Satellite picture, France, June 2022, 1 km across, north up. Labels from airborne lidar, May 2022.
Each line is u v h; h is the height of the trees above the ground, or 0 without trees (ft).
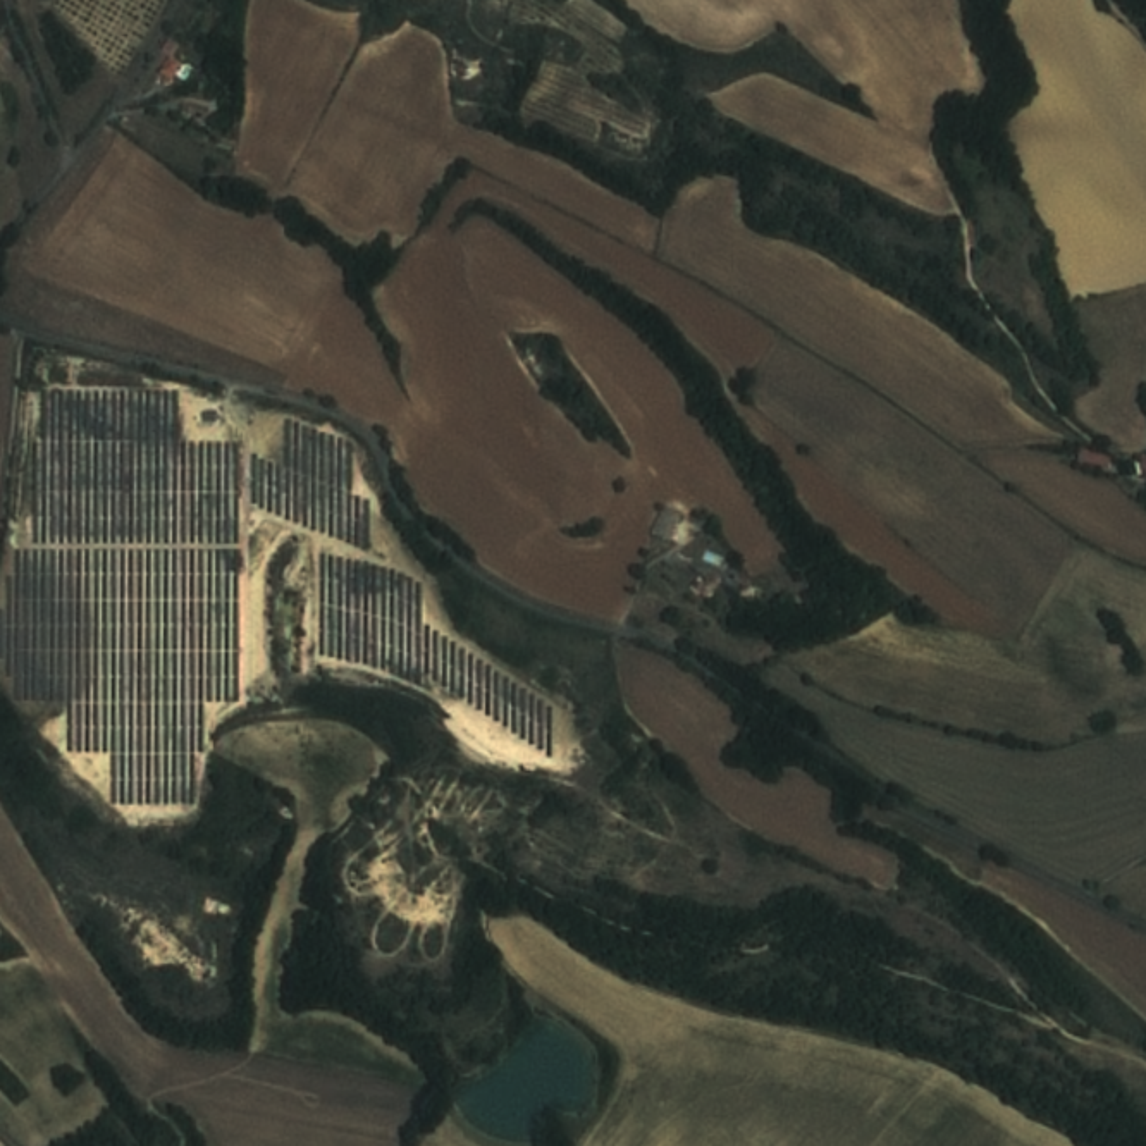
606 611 0
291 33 0
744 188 50
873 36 0
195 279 0
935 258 25
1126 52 0
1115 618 53
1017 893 0
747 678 64
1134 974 0
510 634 0
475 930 31
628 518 0
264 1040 0
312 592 0
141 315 0
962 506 0
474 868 32
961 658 0
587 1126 0
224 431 0
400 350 35
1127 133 0
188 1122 34
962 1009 23
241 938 37
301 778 0
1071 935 0
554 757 0
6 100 0
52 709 0
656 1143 0
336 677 0
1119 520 0
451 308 0
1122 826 0
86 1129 30
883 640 0
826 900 38
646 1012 0
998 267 0
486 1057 20
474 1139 0
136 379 0
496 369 0
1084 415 0
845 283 0
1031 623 0
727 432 46
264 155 0
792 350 0
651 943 37
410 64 0
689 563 0
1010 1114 0
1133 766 0
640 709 0
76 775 0
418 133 0
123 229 0
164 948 0
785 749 50
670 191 45
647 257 0
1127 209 0
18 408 0
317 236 36
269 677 0
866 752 0
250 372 0
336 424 0
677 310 0
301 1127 0
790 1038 0
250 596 0
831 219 20
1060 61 0
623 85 22
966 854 0
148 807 0
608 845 0
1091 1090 32
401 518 42
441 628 0
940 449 0
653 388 0
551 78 0
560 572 0
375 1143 0
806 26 0
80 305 0
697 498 0
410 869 0
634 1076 0
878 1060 0
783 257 0
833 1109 0
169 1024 46
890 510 0
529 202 0
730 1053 0
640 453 0
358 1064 0
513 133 36
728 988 35
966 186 37
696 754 0
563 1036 0
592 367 0
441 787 0
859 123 0
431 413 0
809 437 0
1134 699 0
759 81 0
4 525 19
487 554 0
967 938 21
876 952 29
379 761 0
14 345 0
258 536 0
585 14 0
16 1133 0
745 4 0
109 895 0
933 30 0
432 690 0
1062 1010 19
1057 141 0
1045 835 0
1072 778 0
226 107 35
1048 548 0
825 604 37
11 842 0
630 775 26
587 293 44
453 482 0
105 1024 0
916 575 0
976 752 0
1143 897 0
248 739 0
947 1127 0
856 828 35
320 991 62
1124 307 0
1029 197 40
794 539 48
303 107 0
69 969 0
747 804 0
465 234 0
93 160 0
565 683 0
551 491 0
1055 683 0
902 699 0
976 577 0
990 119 58
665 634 0
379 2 20
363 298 45
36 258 0
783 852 31
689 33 0
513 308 0
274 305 0
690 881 0
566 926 38
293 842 31
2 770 22
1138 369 0
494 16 0
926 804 0
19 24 20
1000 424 0
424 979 23
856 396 0
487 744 0
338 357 0
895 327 0
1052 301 36
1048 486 0
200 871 27
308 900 59
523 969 0
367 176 0
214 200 22
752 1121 0
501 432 0
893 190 0
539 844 0
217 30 27
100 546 0
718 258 0
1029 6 0
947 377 0
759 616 57
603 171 28
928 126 0
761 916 22
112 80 0
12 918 0
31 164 0
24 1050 0
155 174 0
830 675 0
